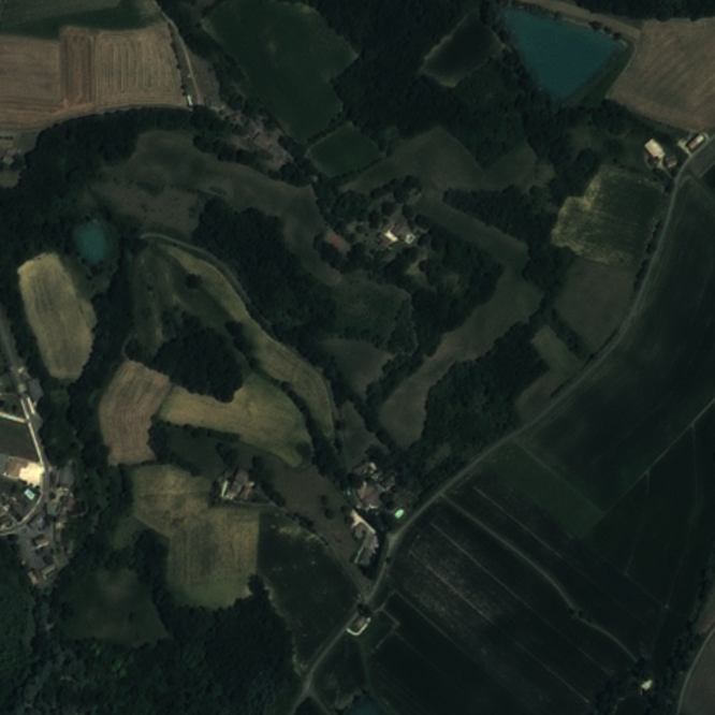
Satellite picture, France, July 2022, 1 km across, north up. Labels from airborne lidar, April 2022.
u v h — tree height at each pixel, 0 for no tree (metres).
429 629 0
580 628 0
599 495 0
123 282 20
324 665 0
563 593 0
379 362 0
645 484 0
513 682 0
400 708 0
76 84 0
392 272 19
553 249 10
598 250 0
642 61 0
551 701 0
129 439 0
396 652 0
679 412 0
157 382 0
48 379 17
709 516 0
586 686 0
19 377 0
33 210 9
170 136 0
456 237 13
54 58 0
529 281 8
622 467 0
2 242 20
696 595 0
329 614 0
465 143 6
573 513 0
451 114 12
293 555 0
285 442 0
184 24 17
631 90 0
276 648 21
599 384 0
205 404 0
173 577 0
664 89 0
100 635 0
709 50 0
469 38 0
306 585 0
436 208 0
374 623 0
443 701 0
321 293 6
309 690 0
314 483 0
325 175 10
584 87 0
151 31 0
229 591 0
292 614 0
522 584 0
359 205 11
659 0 12
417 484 14
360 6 16
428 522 0
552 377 0
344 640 0
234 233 18
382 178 0
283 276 12
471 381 16
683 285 0
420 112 6
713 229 0
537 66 0
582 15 0
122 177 0
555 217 9
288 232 0
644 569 0
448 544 0
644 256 0
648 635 0
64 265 0
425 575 0
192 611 21
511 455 0
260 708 11
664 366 0
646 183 0
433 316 17
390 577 0
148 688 19
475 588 0
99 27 0
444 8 19
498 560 0
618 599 0
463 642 0
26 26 0
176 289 0
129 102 0
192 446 0
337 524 0
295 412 0
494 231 0
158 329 0
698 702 0
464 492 0
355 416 0
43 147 18
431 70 0
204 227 9
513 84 10
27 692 20
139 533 6
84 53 0
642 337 0
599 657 0
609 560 0
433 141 0
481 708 0
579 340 15
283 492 0
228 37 0
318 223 0
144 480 0
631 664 0
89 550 19
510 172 0
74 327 0
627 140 0
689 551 0
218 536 0
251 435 0
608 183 0
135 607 0
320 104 0
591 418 0
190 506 0
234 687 17
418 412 0
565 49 0
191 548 0
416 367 10
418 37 13
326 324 12
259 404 0
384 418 0
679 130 0
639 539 0
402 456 9
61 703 14
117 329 19
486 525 0
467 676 0
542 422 0
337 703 0
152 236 0
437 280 16
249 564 0
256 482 10
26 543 0
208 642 12
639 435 0
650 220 0
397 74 23
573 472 0
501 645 0
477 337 0
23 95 0
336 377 12
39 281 0
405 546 0
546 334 0
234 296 0
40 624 18
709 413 0
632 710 0
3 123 0
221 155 13
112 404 0
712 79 0
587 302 0
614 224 0
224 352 15
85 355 0
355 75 9
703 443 0
